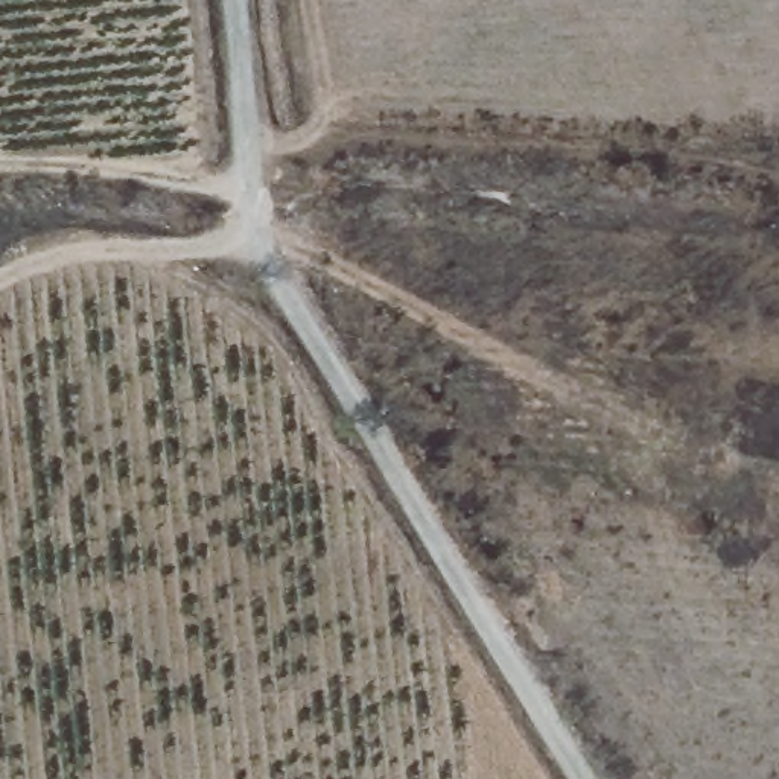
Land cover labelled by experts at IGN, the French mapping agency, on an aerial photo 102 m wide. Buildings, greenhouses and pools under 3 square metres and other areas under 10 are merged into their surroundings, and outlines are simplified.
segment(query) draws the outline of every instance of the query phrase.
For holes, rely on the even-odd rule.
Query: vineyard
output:
[[[231,164],[231,110],[222,0],[0,0],[0,152],[46,152],[70,146],[73,152],[91,158],[134,158],[198,149],[210,173],[222,173]]]
[[[250,262],[82,262],[58,268],[52,274],[33,274],[30,280],[21,280],[0,292],[0,779],[551,779],[545,767],[536,761],[517,724],[511,721],[484,666],[469,651],[453,618],[444,612],[438,590],[426,581],[423,569],[435,563],[426,545],[420,542],[417,529],[411,526],[402,502],[383,481],[383,472],[374,463],[371,450],[359,438],[359,423],[356,408],[344,411],[316,359],[310,356],[310,350],[304,347],[304,341],[280,310],[280,304],[271,298],[265,280]]]

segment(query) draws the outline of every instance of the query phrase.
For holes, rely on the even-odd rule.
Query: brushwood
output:
[[[313,107],[307,76],[295,70],[295,58],[307,55],[298,0],[246,0],[259,113],[268,119],[274,131],[286,134],[298,131],[310,119]]]

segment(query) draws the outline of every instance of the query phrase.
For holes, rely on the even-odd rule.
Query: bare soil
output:
[[[453,119],[438,110],[380,110],[377,125],[344,122],[332,122],[329,134],[316,146],[295,155],[283,155],[283,180],[268,186],[274,201],[274,219],[301,222],[304,216],[310,216],[323,265],[332,265],[344,256],[347,262],[356,262],[374,271],[377,277],[414,292],[417,298],[441,310],[450,310],[456,320],[508,344],[514,353],[539,359],[545,368],[566,377],[566,399],[557,402],[554,393],[539,390],[526,380],[505,377],[490,362],[469,356],[466,347],[444,341],[432,326],[408,320],[399,307],[377,301],[341,280],[310,277],[304,286],[313,298],[313,307],[323,313],[323,326],[338,341],[338,350],[347,359],[353,377],[368,393],[365,402],[359,402],[356,408],[359,423],[371,423],[377,429],[386,426],[393,432],[393,441],[402,450],[405,466],[414,472],[426,499],[435,505],[444,533],[453,539],[469,569],[484,581],[484,593],[505,618],[514,642],[536,669],[536,679],[548,688],[554,709],[560,712],[572,736],[581,742],[581,752],[599,779],[779,779],[779,113],[770,125],[764,125],[761,113],[752,113],[736,116],[730,122],[706,122],[700,116],[688,116],[672,128],[651,125],[645,119],[599,122],[520,113],[502,116],[493,110],[456,113]]]
[[[472,627],[469,615],[456,603],[450,584],[444,581],[435,563],[423,569],[426,581],[438,590],[444,612],[453,618],[469,651],[484,666],[511,721],[517,724],[536,761],[545,767],[551,779],[566,779],[563,767],[548,752],[529,712],[517,700],[514,688],[502,676],[499,663],[487,651],[484,639]]]
[[[100,237],[198,237],[222,222],[228,204],[195,192],[170,192],[137,180],[107,180],[97,173],[0,173],[0,265],[33,250],[43,250],[49,243],[82,240],[88,231]]]

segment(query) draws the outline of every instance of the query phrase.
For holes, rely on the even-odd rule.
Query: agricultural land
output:
[[[651,125],[672,128],[688,116],[700,116],[706,122],[730,122],[736,116],[752,113],[761,113],[764,125],[770,125],[779,113],[779,0],[298,0],[307,55],[295,58],[295,70],[307,76],[313,107],[323,97],[347,88],[353,100],[350,116],[344,122],[377,125],[380,110],[438,110],[453,119],[456,113],[493,110],[502,116],[520,113],[599,122],[645,119]]]

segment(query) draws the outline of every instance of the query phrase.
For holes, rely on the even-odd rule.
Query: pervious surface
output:
[[[450,310],[441,310],[417,298],[414,292],[377,277],[374,271],[356,262],[347,262],[344,256],[332,265],[323,265],[310,216],[304,216],[301,222],[274,219],[274,201],[268,186],[283,180],[283,155],[295,155],[316,146],[329,134],[332,122],[344,122],[350,116],[353,100],[347,88],[323,97],[313,107],[310,119],[298,131],[286,134],[274,131],[268,119],[259,113],[246,0],[222,0],[231,110],[231,164],[222,173],[210,173],[198,149],[134,158],[91,158],[73,152],[70,146],[46,152],[0,152],[0,173],[97,173],[107,180],[137,180],[170,192],[195,192],[228,204],[222,222],[198,237],[100,237],[88,231],[82,240],[49,243],[43,250],[33,250],[0,265],[0,292],[21,280],[30,280],[33,274],[52,274],[58,268],[82,262],[250,262],[265,280],[271,298],[280,304],[280,310],[304,341],[304,347],[310,350],[310,356],[316,359],[344,411],[356,408],[359,402],[365,402],[368,393],[353,377],[347,359],[338,350],[338,341],[323,326],[323,313],[313,307],[313,298],[304,286],[310,277],[341,280],[377,301],[399,307],[408,320],[432,326],[444,341],[466,347],[469,356],[490,362],[505,377],[526,380],[539,390],[554,393],[557,402],[566,399],[566,377],[545,368],[539,359],[514,353],[508,344],[456,320]]]
[[[472,627],[484,639],[487,651],[499,663],[502,676],[514,688],[517,700],[529,712],[548,752],[563,767],[566,779],[599,779],[581,752],[581,742],[572,736],[560,712],[554,709],[548,688],[536,679],[536,669],[514,642],[505,618],[484,593],[484,581],[469,569],[453,539],[444,533],[435,505],[426,499],[414,472],[405,466],[402,450],[393,441],[393,432],[386,426],[377,429],[371,423],[359,423],[359,438],[371,450],[374,463],[383,472],[383,481],[402,502],[411,526],[417,529],[420,542],[426,545],[435,563],[444,581],[450,584],[456,603],[469,615]]]

